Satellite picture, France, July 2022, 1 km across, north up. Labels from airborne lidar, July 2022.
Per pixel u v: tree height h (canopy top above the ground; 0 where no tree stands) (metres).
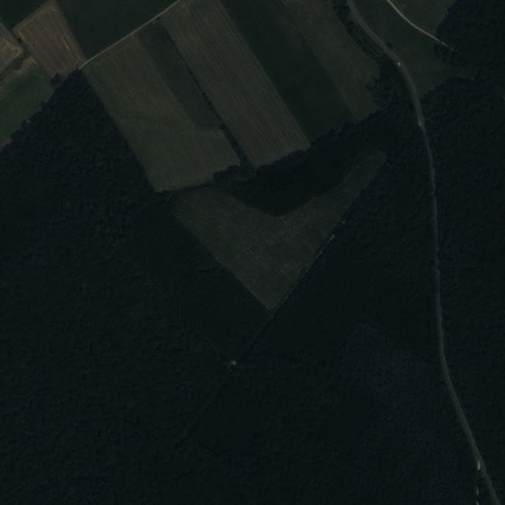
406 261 22
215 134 0
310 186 14
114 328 22
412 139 18
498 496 8
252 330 12
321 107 0
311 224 0
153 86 0
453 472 22
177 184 0
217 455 27
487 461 23
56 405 23
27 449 24
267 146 0
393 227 17
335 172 14
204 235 0
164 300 21
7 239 12
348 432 15
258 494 29
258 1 0
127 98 0
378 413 19
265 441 23
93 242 25
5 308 29
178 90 0
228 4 0
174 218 8
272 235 0
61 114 21
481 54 27
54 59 0
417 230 20
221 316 10
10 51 0
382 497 21
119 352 19
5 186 12
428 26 0
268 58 0
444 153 22
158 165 0
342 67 0
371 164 0
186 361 22
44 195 10
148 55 0
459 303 21
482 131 24
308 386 25
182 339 24
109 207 21
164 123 0
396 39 0
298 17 0
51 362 20
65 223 20
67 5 0
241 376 24
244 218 0
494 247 22
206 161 0
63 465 25
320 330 16
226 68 0
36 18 0
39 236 21
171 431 26
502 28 26
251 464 26
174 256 11
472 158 27
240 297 12
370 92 15
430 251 23
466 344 26
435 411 22
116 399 24
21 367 19
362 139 13
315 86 0
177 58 0
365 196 24
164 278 14
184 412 26
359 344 21
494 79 22
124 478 26
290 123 0
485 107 25
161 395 24
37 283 26
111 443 28
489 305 22
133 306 25
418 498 16
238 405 15
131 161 20
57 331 23
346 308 14
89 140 20
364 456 23
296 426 20
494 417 24
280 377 27
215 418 15
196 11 0
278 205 6
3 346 28
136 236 11
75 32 0
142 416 26
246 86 0
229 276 10
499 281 21
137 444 24
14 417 23
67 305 25
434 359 15
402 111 16
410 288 6
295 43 0
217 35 0
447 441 20
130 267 17
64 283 23
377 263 21
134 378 22
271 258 0
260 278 0
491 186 28
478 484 12
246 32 0
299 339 16
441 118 15
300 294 15
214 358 25
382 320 7
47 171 25
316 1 0
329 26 0
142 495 22
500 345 22
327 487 18
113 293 24
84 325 20
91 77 0
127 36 0
